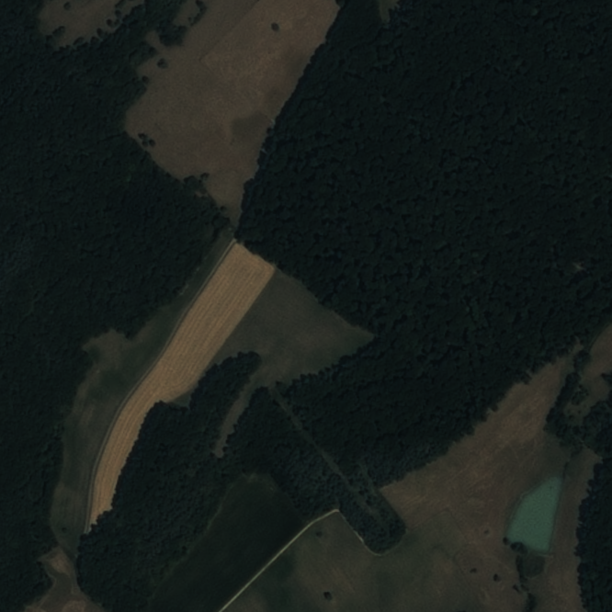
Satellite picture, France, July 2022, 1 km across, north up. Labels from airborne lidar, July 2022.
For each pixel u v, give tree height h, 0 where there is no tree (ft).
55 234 68
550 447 0
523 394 0
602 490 74
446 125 101
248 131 0
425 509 0
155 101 0
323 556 0
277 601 0
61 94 84
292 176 88
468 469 0
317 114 85
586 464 0
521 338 106
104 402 0
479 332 101
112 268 71
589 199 107
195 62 0
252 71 0
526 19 100
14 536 69
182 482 48
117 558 62
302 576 0
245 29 0
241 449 78
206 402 69
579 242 111
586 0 93
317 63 69
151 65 0
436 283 104
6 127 90
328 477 46
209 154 0
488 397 111
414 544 0
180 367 0
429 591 0
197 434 64
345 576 0
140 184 74
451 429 93
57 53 33
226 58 0
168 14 20
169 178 60
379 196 110
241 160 0
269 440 93
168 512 37
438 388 105
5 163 72
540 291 103
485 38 103
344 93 85
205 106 0
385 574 0
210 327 0
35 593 93
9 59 68
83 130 72
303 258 91
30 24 51
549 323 107
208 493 52
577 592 0
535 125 101
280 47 0
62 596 0
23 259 93
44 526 62
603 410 71
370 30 68
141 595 73
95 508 0
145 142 30
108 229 71
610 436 74
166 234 81
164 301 60
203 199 33
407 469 77
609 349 0
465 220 96
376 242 40
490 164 94
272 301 0
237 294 0
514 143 105
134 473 82
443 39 97
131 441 0
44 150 68
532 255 95
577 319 98
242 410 0
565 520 0
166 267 79
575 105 100
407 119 79
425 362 101
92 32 0
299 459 68
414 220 85
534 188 93
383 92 78
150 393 0
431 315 100
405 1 48
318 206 92
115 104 43
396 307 100
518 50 104
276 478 38
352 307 86
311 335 0
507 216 93
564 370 0
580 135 96
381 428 101
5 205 70
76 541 0
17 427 78
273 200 95
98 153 58
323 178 94
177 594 0
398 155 107
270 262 52
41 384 87
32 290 73
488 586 0
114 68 69
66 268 82
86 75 53
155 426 88
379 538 83
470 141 101
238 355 0
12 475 77
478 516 0
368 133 94
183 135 0
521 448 0
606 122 105
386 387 90
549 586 0
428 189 96
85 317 72
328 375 67
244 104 0
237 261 0
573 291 108
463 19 109
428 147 104
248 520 0
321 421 70
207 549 0
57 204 80
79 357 65
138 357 0
